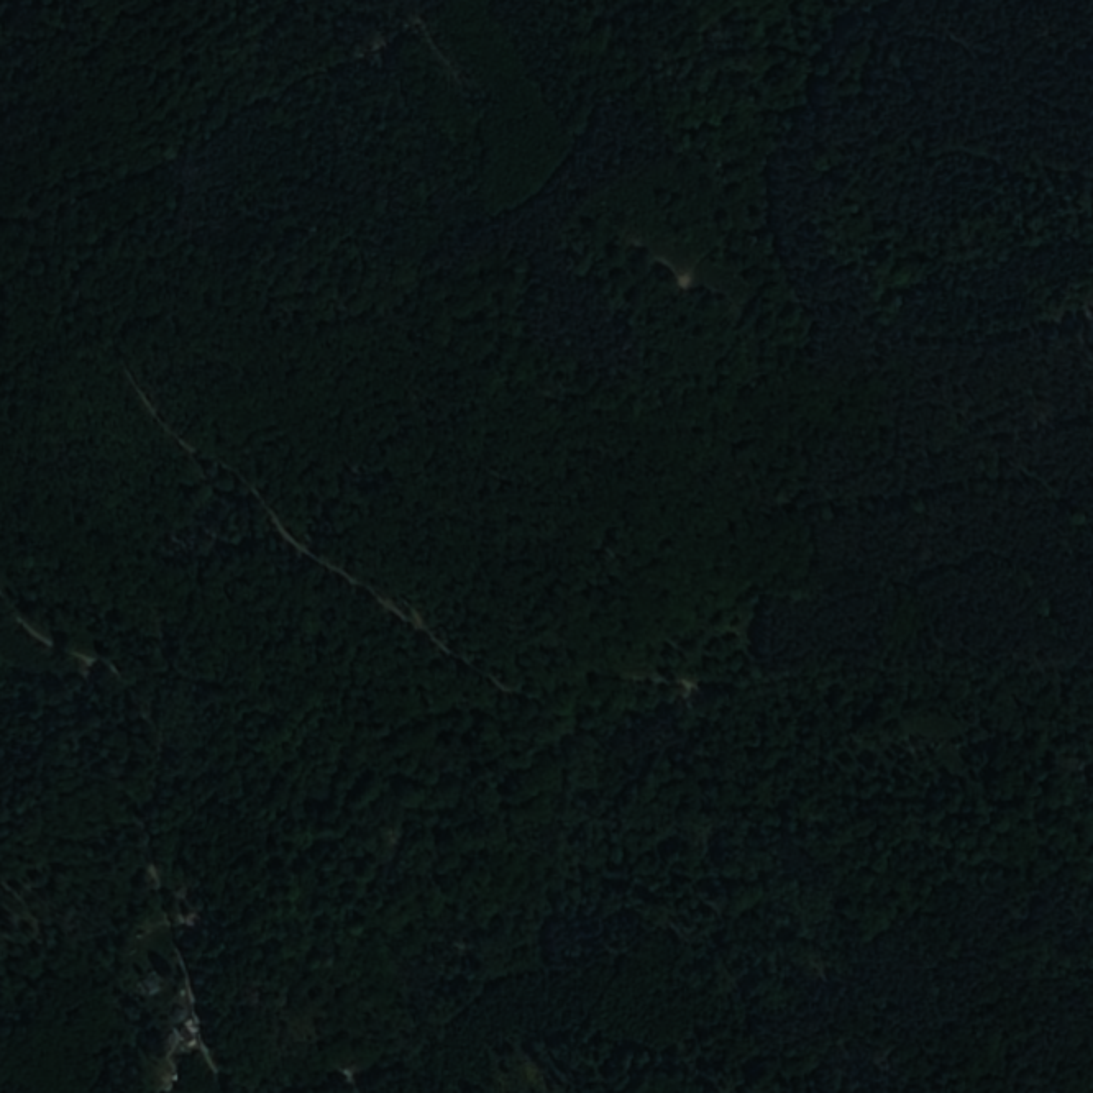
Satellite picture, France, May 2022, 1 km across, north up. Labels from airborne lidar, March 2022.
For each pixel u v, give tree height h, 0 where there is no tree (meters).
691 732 18
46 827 24
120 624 26
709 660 13
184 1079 10
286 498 31
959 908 23
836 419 20
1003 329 7
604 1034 7
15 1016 16
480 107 25
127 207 16
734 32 12
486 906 19
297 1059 11
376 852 10
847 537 33
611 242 11
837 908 25
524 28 19
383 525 24
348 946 11
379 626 25
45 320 15
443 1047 12
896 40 33
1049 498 20
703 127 13
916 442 26
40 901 24
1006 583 32
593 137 24
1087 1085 15
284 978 9
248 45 13
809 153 25
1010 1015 14
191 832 19
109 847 17
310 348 21
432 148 18
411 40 19
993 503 30
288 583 28
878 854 26
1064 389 26
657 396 11
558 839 27
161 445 20
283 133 17
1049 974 19
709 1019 9
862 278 12
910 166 18
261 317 14
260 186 15
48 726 22
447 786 26
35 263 13
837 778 19
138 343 26
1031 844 19
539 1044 12
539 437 20
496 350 8
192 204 16
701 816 27
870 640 26
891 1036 21
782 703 20
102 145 19
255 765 19
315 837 9
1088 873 14
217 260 12
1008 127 32
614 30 16
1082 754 22
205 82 8
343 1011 13
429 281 14
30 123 18
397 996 23
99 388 23
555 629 25
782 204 25
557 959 30
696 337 12
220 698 25
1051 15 29
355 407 24
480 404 17
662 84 12
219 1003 18
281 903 8
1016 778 19
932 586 31
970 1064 24
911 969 22
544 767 27
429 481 24
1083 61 26
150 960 0
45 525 22
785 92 14
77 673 17
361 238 9
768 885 24
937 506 30
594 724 23
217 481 30
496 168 25
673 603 25
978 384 25
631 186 9
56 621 21
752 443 20
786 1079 13
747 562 29
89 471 12
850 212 7
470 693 30
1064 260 19
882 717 19
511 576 26
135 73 18
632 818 26
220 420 25
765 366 14
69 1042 19
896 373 20
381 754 12
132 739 28
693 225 9
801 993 25
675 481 23
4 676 16
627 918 30
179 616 21
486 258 19
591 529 26
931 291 22
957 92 30
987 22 30
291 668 22
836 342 22
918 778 18
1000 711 22
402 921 12
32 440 18
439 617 24
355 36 20
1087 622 27
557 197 26
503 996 14
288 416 27
